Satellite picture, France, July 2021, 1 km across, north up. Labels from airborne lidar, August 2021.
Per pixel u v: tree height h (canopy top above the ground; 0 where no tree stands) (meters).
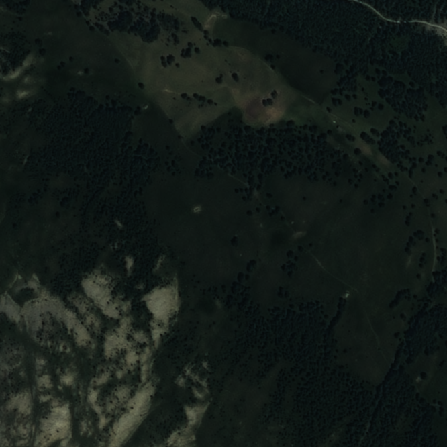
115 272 0
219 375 0
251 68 0
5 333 0
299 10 23
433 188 0
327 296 0
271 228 0
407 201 0
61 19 0
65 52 0
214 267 0
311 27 22
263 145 14
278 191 0
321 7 19
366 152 0
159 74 0
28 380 0
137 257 8
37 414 0
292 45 0
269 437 0
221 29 0
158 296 0
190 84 0
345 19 24
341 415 9
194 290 0
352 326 0
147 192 0
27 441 0
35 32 0
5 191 0
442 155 15
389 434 15
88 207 11
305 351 14
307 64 0
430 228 0
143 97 0
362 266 0
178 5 0
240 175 0
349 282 0
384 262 0
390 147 20
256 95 0
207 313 0
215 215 0
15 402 0
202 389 0
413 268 0
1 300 0
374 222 0
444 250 16
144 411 0
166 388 0
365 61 24
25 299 0
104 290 0
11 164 0
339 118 0
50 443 0
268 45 0
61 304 0
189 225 0
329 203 0
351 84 20
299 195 0
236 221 0
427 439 18
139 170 12
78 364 0
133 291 10
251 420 0
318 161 11
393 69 25
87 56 0
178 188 0
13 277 0
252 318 10
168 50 0
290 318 14
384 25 25
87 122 16
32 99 0
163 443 0
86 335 0
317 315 17
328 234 0
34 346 0
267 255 0
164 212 0
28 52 7
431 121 0
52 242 0
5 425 0
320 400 10
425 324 22
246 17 18
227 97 0
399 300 18
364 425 12
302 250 15
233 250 0
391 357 0
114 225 11
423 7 14
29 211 0
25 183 0
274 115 0
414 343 23
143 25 22
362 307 0
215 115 0
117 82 0
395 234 0
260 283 0
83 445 0
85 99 18
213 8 15
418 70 23
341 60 23
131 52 0
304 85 0
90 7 15
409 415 13
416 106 17
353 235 0
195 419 0
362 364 0
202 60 0
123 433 0
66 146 7
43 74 0
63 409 0
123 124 20
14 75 0
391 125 10
